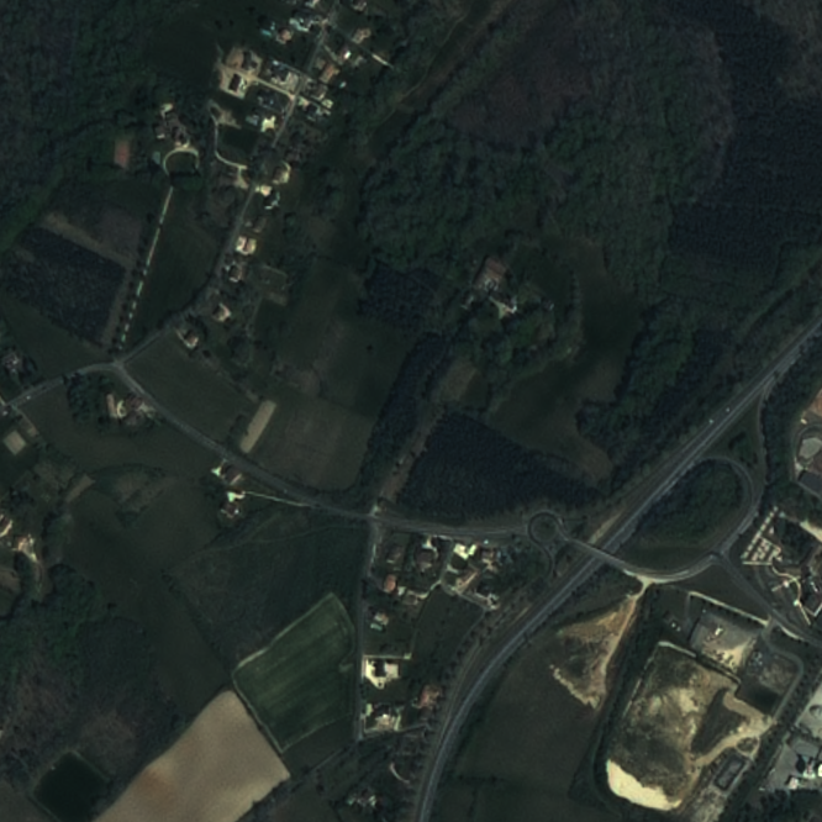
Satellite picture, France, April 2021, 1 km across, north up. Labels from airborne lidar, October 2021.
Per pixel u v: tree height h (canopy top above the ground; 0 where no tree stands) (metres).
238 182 0
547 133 9
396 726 0
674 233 16
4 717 17
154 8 21
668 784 0
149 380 0
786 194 17
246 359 22
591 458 0
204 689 0
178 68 0
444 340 10
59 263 8
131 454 0
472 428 13
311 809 0
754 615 0
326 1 11
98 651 16
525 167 14
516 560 16
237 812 0
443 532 0
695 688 0
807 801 17
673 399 14
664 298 14
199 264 0
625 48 17
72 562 0
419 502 9
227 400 0
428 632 0
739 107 16
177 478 0
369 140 16
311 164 11
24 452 0
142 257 13
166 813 0
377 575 9
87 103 19
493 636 14
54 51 22
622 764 0
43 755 16
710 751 0
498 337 0
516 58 9
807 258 17
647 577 0
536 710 0
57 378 0
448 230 19
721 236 17
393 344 0
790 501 18
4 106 26
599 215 25
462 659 13
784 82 13
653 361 19
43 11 27
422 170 26
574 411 0
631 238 22
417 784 13
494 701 0
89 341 6
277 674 0
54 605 20
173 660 0
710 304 14
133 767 7
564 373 0
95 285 7
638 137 22
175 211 0
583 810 0
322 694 0
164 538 0
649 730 0
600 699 0
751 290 13
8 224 22
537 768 0
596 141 15
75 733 6
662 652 0
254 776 0
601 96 11
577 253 0
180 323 16
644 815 8
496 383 20
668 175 21
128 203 0
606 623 0
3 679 20
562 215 19
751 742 0
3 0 20
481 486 8
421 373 14
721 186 16
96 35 23
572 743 0
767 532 0
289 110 0
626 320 0
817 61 13
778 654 0
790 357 0
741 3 11
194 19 0
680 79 20
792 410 12
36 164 26
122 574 0
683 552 0
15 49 31
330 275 0
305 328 0
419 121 18
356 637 0
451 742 0
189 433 0
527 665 0
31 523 9
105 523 0
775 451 13
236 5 0
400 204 16
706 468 12
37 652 23
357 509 6
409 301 15
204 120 14
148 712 8
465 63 11
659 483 0
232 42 0
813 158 18
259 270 12
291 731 0
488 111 11
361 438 0
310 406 0
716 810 0
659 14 10
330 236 0
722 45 19
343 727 0
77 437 0
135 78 18
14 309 0
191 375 0
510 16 15
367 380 0
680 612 0
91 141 22
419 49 18
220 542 6
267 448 0
